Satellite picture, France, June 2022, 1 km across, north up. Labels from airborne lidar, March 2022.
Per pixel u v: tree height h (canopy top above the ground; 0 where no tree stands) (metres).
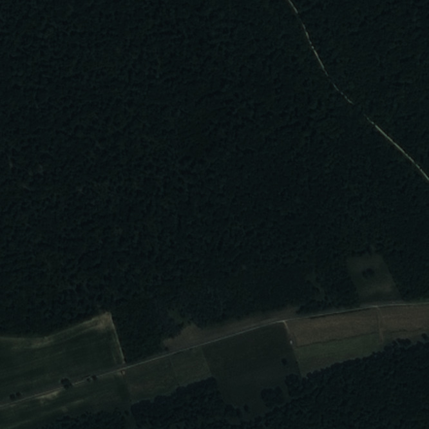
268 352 0
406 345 20
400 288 10
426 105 19
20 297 20
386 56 21
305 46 22
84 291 24
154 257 22
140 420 19
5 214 19
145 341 13
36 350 0
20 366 0
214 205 24
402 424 22
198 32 25
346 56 23
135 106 22
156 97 22
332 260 18
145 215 23
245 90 26
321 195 22
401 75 23
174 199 18
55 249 19
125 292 24
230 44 23
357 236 20
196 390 27
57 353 0
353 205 19
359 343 0
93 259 23
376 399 21
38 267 15
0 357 0
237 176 23
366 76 19
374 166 20
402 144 19
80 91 21
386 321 0
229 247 23
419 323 0
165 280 22
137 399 0
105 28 13
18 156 26
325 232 22
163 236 22
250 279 11
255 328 0
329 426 21
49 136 24
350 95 23
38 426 0
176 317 0
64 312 18
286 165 21
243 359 0
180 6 23
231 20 29
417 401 20
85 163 17
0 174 20
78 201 13
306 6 27
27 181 20
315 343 0
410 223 20
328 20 23
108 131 19
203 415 21
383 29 20
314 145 21
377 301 0
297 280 14
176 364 0
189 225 20
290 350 0
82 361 0
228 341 0
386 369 15
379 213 19
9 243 17
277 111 20
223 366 0
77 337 0
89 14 21
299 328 0
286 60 26
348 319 0
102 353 0
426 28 20
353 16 18
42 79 24
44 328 18
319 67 22
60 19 21
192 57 26
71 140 25
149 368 0
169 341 0
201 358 0
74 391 0
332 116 23
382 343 0
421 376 21
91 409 0
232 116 25
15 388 0
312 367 0
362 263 0
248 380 0
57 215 17
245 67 26
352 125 24
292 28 23
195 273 18
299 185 21
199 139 6
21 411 0
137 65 20
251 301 15
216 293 14
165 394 0
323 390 20
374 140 22
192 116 18
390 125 23
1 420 0
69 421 10
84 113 22
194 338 0
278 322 0
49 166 22
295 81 23
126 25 27
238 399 0
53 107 24
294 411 21
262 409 0
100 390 0
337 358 0
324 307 13
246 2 23
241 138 24
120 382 0
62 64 19
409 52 22
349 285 20
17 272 16
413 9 24
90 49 25
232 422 0
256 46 20
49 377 0
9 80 27
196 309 19
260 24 27
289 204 20
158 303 17
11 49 24
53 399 0
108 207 15
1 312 19
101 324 0
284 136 22
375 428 18
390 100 21
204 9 22
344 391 21
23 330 18
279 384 0
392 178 23
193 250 20
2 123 25
